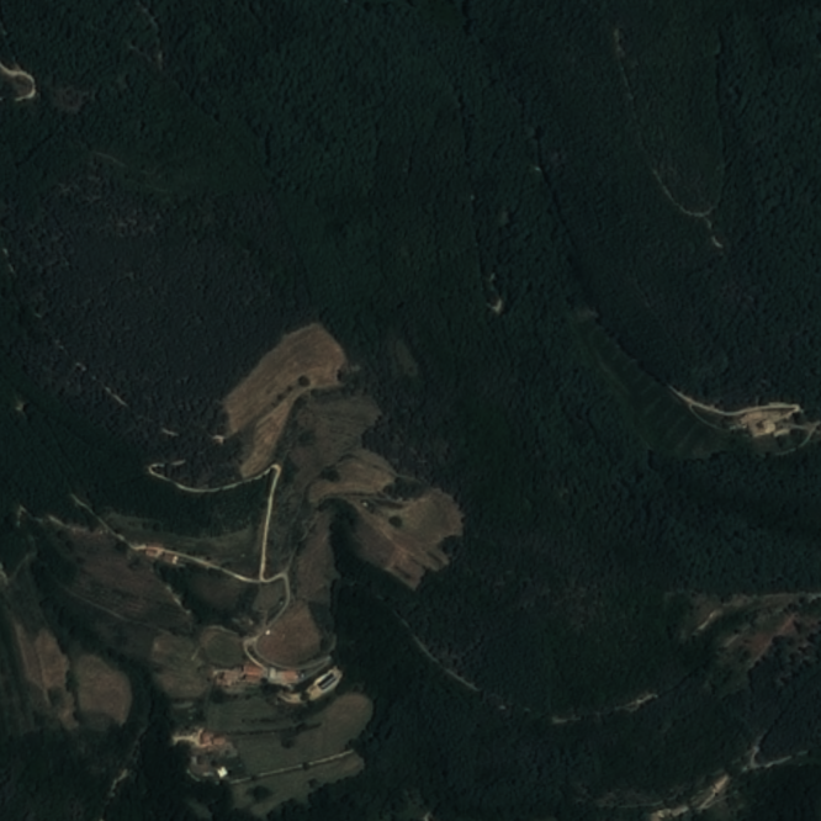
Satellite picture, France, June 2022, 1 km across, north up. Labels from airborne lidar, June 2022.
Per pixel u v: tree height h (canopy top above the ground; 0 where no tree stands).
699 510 24
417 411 7
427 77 26
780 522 11
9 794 15
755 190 29
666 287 16
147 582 0
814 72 33
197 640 0
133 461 8
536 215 35
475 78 35
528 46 25
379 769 20
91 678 0
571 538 17
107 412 17
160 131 15
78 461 15
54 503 21
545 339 34
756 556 33
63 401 11
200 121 8
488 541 9
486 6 30
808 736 29
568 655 11
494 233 30
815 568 32
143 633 0
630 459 39
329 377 0
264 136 26
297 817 19
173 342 15
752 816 13
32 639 0
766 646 0
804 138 27
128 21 27
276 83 30
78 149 16
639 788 9
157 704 19
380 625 25
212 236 11
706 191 8
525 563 16
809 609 16
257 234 17
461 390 23
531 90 27
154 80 15
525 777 23
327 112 30
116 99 16
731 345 28
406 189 22
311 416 0
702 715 21
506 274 33
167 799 24
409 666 12
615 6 18
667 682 16
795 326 28
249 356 15
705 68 22
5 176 26
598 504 13
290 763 0
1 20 12
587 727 16
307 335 0
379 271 17
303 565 0
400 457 7
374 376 9
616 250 16
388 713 22
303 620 0
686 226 10
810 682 33
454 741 31
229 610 8
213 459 11
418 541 0
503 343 24
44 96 15
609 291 18
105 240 13
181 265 17
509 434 16
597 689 15
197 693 0
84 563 7
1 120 14
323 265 19
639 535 27
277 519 0
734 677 11
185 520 6
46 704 0
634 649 9
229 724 0
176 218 11
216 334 17
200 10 18
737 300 14
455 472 10
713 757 14
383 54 33
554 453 30
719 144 27
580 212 21
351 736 0
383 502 0
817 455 8
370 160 28
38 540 8
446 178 29
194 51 32
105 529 0
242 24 20
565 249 33
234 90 21
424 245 17
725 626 12
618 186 15
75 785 10
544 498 16
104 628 0
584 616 8
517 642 22
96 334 12
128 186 6
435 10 9
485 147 33
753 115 35
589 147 16
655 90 13
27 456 20
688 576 35
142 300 15
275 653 0
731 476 33
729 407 18
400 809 25
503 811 23
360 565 10
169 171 7
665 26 13
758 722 22
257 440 0
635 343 24
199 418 14
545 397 29
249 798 0
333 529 12
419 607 9
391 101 27
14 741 14
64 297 15
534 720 17
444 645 12
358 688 6
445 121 26
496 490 17
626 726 21
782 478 33
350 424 0
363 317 20
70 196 6
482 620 18
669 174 7
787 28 30
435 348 15
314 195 27
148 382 8
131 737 16
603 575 18
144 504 13
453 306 21
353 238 30
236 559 0
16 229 7
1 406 11
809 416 18
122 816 17
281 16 21
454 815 21
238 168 7
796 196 28
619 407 36
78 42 22
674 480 30
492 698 19
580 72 15
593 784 17
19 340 13
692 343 9
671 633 7
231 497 7
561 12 18
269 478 7
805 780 21
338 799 21
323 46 28
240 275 17
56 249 15
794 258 24
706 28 19
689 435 0
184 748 5
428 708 34
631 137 16
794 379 31
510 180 34
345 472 0
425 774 22
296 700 0
